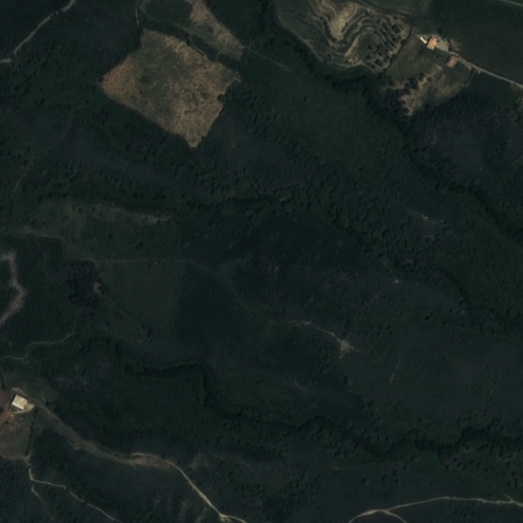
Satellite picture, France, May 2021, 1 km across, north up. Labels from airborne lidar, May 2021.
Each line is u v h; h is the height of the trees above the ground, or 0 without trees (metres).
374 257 14
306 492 6
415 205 8
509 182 6
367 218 10
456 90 0
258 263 6
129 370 15
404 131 6
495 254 6
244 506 6
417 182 8
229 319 5
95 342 10
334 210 11
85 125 8
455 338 6
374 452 17
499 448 13
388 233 13
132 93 0
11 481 9
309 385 6
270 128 13
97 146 6
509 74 0
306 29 0
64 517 9
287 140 11
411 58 0
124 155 9
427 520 9
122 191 7
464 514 7
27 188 11
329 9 0
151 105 0
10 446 0
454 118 9
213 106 0
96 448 0
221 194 13
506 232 9
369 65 8
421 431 9
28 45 12
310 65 9
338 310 5
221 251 6
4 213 7
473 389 6
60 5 5
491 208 14
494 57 0
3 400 0
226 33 0
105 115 8
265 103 10
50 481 5
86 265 15
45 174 10
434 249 10
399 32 7
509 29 0
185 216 8
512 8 0
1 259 0
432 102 0
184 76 0
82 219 0
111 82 0
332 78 13
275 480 0
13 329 6
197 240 10
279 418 7
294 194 14
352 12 0
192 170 10
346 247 6
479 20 0
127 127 9
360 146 0
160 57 0
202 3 0
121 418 6
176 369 19
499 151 10
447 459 12
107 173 7
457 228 7
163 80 0
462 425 17
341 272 7
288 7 0
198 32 0
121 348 16
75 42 7
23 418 0
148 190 7
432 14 0
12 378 0
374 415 13
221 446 6
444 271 15
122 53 6
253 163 11
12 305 0
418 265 15
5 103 10
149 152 7
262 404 6
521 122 11
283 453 10
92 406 7
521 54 0
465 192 15
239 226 6
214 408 18
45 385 0
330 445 7
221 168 11
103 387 6
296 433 16
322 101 0
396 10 0
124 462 0
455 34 0
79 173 13
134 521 13
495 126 7
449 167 12
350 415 5
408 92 19
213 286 5
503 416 9
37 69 12
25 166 10
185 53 0
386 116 14
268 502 6
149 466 0
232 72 0
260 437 6
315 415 8
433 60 0
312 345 6
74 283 13
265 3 14
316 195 13
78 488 11
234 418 17
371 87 16
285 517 6
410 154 13
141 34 14
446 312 11
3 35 6
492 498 9
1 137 8
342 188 9
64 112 6
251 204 13
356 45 0
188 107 0
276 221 5
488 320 13
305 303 7
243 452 5
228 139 0
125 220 0
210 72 0
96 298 15
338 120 0
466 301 10
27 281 6
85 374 10
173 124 0
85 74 8
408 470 9
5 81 11
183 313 5
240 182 15
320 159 10
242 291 11
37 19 6
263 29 12
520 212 5
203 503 0
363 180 7
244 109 7
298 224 5
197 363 11
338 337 0
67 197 13
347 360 0
